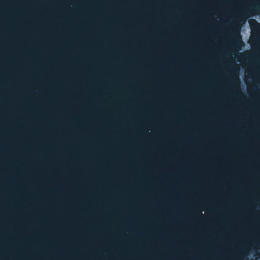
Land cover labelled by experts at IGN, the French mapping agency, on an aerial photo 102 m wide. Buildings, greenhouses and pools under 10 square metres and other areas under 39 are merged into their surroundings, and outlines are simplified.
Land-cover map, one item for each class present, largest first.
<instances>
[{"label":"water","instance_id":"1","mask_svg":"<svg viewBox=\"0 0 260 260\"><path fill-rule=\"evenodd\" d=\"M0 260H260V0H0Z\"/></svg>","mask_w":260,"mask_h":260}]
</instances>
